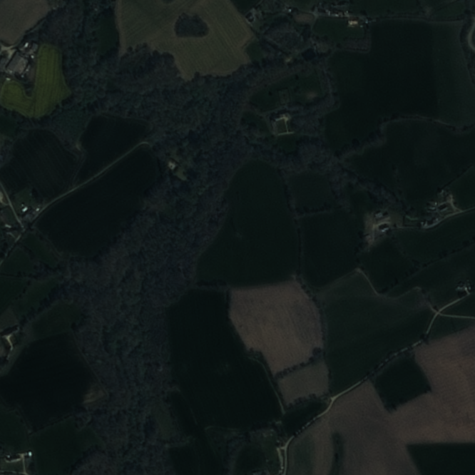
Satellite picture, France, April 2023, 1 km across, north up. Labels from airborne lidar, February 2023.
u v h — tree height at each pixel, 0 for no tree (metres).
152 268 16
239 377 0
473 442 0
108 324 25
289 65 8
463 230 0
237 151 20
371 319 0
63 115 10
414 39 0
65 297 21
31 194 6
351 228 0
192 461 0
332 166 23
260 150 11
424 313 0
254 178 0
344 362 0
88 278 19
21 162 0
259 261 0
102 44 0
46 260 0
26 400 0
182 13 0
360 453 0
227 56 0
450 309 0
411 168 0
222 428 0
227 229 0
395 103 0
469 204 0
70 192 0
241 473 0
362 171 0
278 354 0
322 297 0
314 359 12
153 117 21
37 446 0
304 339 0
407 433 0
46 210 0
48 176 0
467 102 0
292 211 18
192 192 6
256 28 0
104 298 24
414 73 0
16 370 0
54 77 0
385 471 0
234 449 13
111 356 26
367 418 0
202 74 0
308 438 0
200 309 0
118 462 7
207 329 0
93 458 17
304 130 18
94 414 7
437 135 0
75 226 0
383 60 0
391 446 0
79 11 20
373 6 0
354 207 0
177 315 0
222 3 0
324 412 0
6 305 0
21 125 13
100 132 0
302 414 0
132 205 0
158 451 13
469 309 0
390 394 0
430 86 0
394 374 0
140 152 0
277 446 9
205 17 0
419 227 12
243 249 0
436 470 0
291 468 0
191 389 0
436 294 0
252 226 0
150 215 23
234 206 0
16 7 0
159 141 6
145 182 0
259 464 0
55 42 18
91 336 26
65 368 0
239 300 0
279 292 0
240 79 15
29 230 14
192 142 26
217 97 12
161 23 0
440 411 0
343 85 0
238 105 27
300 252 9
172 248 26
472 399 0
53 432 0
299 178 0
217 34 0
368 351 0
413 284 0
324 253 0
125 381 35
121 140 0
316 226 0
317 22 0
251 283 0
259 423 0
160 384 10
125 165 0
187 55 0
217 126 22
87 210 0
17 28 0
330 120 0
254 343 0
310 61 11
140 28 0
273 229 0
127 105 10
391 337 0
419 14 10
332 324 0
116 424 19
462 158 0
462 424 0
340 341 0
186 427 0
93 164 0
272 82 9
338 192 19
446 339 0
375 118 0
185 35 13
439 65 0
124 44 0
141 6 0
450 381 0
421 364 0
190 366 0
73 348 0
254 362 0
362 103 0
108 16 19
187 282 15
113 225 0
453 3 0
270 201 0
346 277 0
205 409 0
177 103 33
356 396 0
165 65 18
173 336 0
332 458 0
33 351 0
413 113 0
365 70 0
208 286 12
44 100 0
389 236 8
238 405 0
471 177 0
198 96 8
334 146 0
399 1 0
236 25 0
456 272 0
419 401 0
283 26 20
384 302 0
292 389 0
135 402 8
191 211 17
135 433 13
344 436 0
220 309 0
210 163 23
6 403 0
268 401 0
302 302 0
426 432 0
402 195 7
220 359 0
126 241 16
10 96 0
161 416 0
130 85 20
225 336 0
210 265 0
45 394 0
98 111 18
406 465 0
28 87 12
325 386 0
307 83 0
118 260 22
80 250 0
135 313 11
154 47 0
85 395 0
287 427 0
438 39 0
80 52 12
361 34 0
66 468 0
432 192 0
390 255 0
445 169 0
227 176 22
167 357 11
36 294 0
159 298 24
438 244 0
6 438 0
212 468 0
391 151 0
